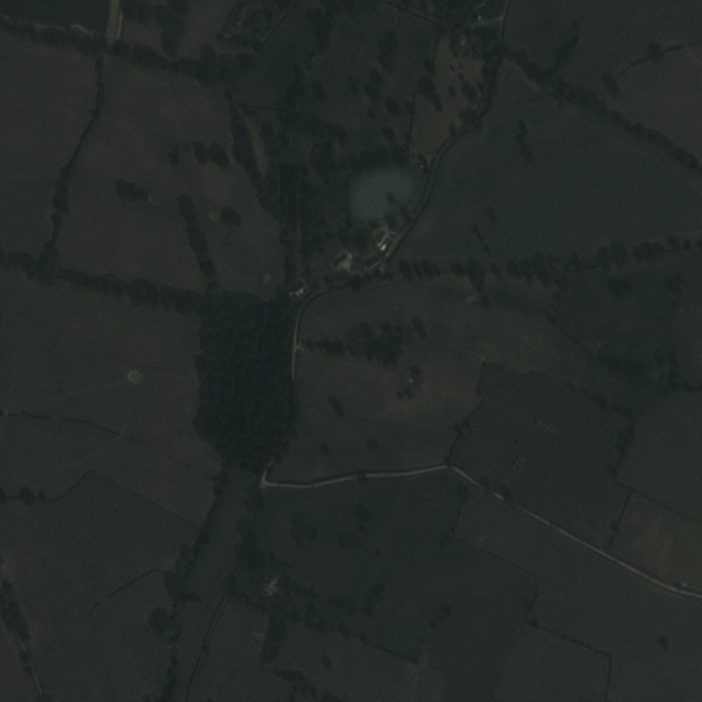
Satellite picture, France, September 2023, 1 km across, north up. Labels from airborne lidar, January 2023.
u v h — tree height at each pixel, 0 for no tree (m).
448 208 0
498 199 0
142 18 20
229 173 0
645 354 0
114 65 0
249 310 26
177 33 21
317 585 0
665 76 0
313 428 0
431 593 0
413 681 0
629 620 0
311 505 0
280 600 12
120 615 0
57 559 0
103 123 0
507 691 0
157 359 0
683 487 0
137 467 0
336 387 0
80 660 0
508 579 0
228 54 0
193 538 0
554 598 0
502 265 0
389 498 0
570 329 0
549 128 0
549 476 0
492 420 0
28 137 0
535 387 0
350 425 0
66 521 0
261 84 0
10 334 0
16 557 0
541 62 0
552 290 0
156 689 0
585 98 21
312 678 0
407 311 0
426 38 0
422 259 0
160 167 0
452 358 0
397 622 0
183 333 0
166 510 0
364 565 0
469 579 0
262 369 11
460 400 0
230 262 0
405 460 0
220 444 7
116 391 0
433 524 0
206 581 0
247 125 17
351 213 0
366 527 11
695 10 0
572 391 11
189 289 0
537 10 0
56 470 0
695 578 0
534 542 0
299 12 0
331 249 0
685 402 0
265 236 0
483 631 0
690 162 13
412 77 0
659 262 0
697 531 0
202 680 0
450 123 0
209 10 0
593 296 0
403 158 20
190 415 0
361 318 0
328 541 0
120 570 0
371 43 0
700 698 0
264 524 0
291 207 6
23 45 0
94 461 0
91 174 0
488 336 0
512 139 0
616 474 13
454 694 0
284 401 21
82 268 0
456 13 9
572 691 0
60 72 0
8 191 0
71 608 0
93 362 0
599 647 0
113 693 0
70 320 0
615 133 0
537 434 0
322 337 0
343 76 0
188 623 0
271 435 20
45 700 17
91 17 0
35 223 0
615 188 0
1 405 0
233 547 0
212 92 0
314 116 0
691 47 0
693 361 0
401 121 0
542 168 0
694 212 0
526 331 0
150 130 0
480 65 0
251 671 0
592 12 0
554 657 0
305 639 0
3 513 0
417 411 0
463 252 0
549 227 0
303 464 0
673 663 0
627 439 14
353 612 22
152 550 0
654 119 0
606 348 0
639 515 0
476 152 0
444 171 0
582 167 0
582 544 0
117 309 0
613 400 0
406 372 0
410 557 0
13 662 0
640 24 0
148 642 0
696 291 0
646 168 0
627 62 0
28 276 16
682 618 0
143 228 0
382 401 0
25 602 0
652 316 0
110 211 0
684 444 0
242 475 0
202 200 0
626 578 0
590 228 0
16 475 0
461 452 0
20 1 0
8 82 0
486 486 15
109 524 0
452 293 0
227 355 18
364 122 0
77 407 0
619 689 0
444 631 0
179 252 0
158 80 0
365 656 0
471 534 0
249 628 0
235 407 17
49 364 0
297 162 0
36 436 0
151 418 0
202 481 0
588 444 0
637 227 0
